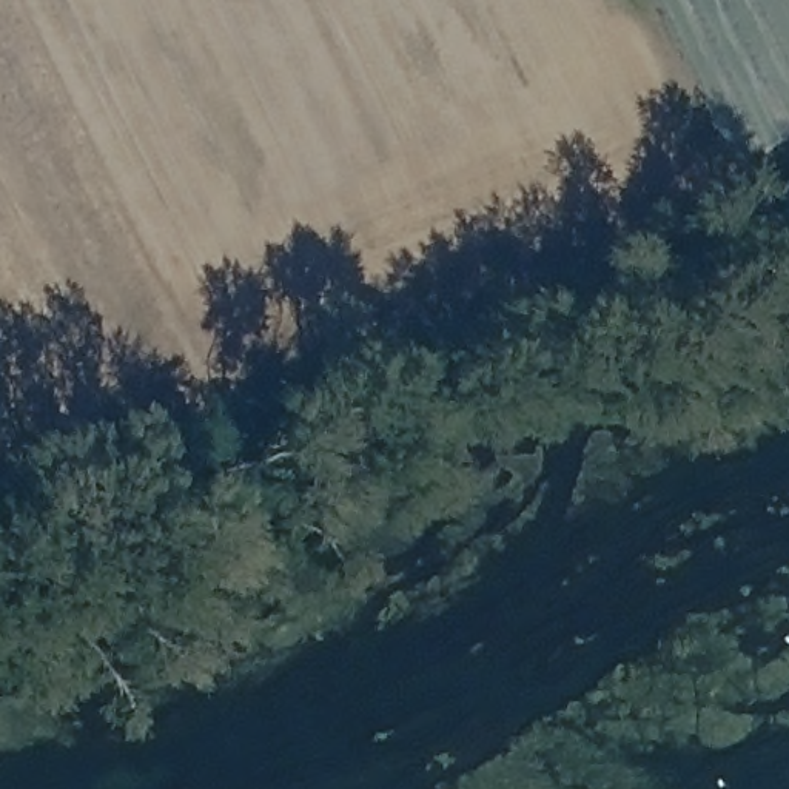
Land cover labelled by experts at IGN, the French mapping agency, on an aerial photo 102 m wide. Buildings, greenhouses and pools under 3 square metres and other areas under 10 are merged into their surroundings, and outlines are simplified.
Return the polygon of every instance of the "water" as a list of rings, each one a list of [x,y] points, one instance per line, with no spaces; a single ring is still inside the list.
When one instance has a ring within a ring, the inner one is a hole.
[[[789,712],[789,690],[777,700],[737,703],[734,712]]]
[[[761,666],[789,653],[789,619],[783,619],[774,632],[755,629],[740,638],[740,650]]]
[[[703,752],[681,752],[656,743],[653,752],[641,755],[638,767],[644,767],[653,777],[675,777],[681,789],[789,789],[789,727],[752,730],[746,740],[734,746]]]
[[[487,533],[499,533],[509,521],[518,518],[509,499],[490,505],[487,509],[481,527]]]
[[[388,607],[391,595],[416,589],[431,576],[450,570],[441,558],[441,539],[428,539],[422,533],[413,546],[407,546],[401,555],[385,561],[385,570],[401,573],[401,579],[373,586],[351,629],[333,632],[321,641],[296,644],[293,656],[259,684],[243,681],[231,690],[210,690],[197,690],[188,684],[151,703],[154,715],[145,740],[126,740],[126,730],[117,734],[105,721],[105,706],[111,706],[117,693],[114,684],[77,703],[77,709],[83,730],[74,746],[37,743],[31,749],[0,752],[0,789],[438,789],[438,783],[456,783],[462,774],[478,771],[496,755],[505,755],[515,737],[524,737],[539,718],[561,712],[573,700],[589,697],[616,666],[638,666],[644,656],[653,656],[656,644],[669,641],[672,632],[690,613],[715,613],[740,604],[758,604],[761,598],[789,601],[789,428],[761,435],[758,444],[749,450],[703,453],[697,459],[684,459],[672,462],[660,475],[641,475],[623,502],[601,502],[592,512],[583,512],[579,518],[570,518],[567,505],[573,499],[573,487],[583,468],[586,444],[592,444],[598,435],[626,441],[632,435],[623,425],[579,425],[570,431],[567,441],[552,444],[542,462],[549,493],[536,521],[502,552],[487,555],[487,561],[481,561],[475,586],[468,586],[453,607],[431,619],[404,616],[385,629],[379,626],[379,610]],[[721,509],[734,509],[734,521],[712,524],[700,533],[681,533],[681,524],[690,515]]]

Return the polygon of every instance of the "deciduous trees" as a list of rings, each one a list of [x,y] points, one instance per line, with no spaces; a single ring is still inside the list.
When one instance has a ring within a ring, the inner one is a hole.
[[[0,475],[0,700],[18,706],[34,706],[46,700],[52,706],[52,715],[77,709],[77,703],[114,684],[117,693],[111,706],[105,706],[105,721],[117,734],[126,730],[126,740],[145,740],[154,715],[151,703],[188,684],[197,690],[210,690],[216,672],[228,672],[231,644],[253,644],[259,619],[284,610],[277,595],[287,586],[314,589],[342,583],[370,549],[376,549],[385,524],[398,530],[398,536],[407,546],[413,546],[422,533],[438,518],[462,515],[472,505],[487,509],[490,505],[484,502],[484,490],[493,487],[487,468],[496,459],[493,450],[515,447],[524,438],[552,444],[567,441],[570,431],[579,425],[623,425],[632,435],[653,431],[660,444],[675,447],[684,459],[697,459],[703,453],[749,450],[758,444],[761,435],[789,428],[789,182],[771,170],[758,170],[755,182],[749,182],[746,176],[737,176],[734,185],[712,182],[709,191],[700,197],[700,210],[690,216],[684,210],[675,210],[669,200],[656,200],[656,210],[650,213],[647,225],[638,234],[619,240],[610,256],[601,256],[592,265],[592,271],[576,277],[567,290],[542,287],[536,296],[505,302],[472,324],[450,327],[431,351],[422,345],[407,348],[398,339],[398,333],[385,324],[385,317],[364,317],[330,342],[336,367],[324,379],[317,379],[314,388],[293,388],[290,395],[268,398],[253,398],[243,388],[234,398],[234,404],[222,398],[197,401],[200,422],[182,425],[170,410],[157,404],[148,410],[129,410],[114,425],[92,422],[80,425],[71,435],[52,431],[40,444],[34,444],[31,453],[22,453],[12,472]]]

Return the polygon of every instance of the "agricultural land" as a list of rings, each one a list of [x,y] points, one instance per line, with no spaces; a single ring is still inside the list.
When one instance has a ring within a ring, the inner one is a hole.
[[[592,265],[601,256],[610,256],[619,240],[638,234],[647,225],[650,213],[656,210],[656,200],[669,200],[675,210],[684,210],[690,216],[700,210],[700,197],[709,191],[712,182],[734,185],[737,176],[746,176],[749,182],[755,182],[758,170],[771,170],[789,182],[789,0],[0,0],[0,475],[12,472],[22,453],[31,453],[34,444],[40,444],[52,431],[71,435],[80,425],[92,422],[114,425],[129,410],[148,410],[157,404],[170,410],[182,425],[200,422],[197,401],[222,398],[234,404],[234,398],[243,388],[253,398],[268,398],[290,395],[293,388],[314,388],[317,379],[324,379],[336,367],[330,342],[364,317],[385,317],[385,324],[398,333],[398,339],[407,348],[422,345],[431,351],[450,327],[472,324],[505,302],[536,296],[542,287],[567,290],[576,277],[592,271]]]

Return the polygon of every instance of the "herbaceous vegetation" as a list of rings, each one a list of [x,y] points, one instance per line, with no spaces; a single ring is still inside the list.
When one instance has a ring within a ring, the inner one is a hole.
[[[734,509],[721,509],[690,515],[681,524],[681,533],[700,533],[712,524],[734,521]]]
[[[407,546],[398,536],[398,530],[385,524],[376,549],[370,549],[342,583],[314,589],[287,586],[277,595],[284,610],[259,619],[253,644],[231,644],[228,672],[216,672],[210,690],[231,690],[243,681],[259,684],[293,656],[296,644],[321,641],[333,632],[351,629],[373,586],[401,579],[401,573],[385,570],[385,561],[401,555]]]
[[[524,438],[515,447],[493,450],[496,459],[487,468],[493,487],[484,490],[484,502],[490,505],[509,499],[518,518],[509,521],[499,533],[487,533],[481,527],[487,509],[472,505],[462,515],[438,518],[422,533],[428,539],[441,539],[441,558],[450,570],[431,576],[416,589],[391,595],[388,607],[379,610],[379,626],[385,629],[404,616],[431,619],[453,607],[468,586],[475,586],[481,561],[487,561],[487,555],[502,552],[536,521],[549,493],[542,462],[552,444]]]
[[[52,706],[46,700],[34,706],[18,706],[0,700],[0,752],[31,749],[37,743],[74,746],[83,730],[77,709],[52,715]]]
[[[592,512],[601,502],[623,502],[641,475],[660,475],[672,462],[684,459],[675,447],[660,444],[653,431],[632,435],[626,441],[598,435],[592,444],[586,444],[583,468],[573,487],[573,499],[567,505],[570,518],[579,518],[583,512]]]
[[[438,783],[438,789],[681,789],[675,777],[653,777],[644,767],[638,767],[641,755],[653,752],[656,743],[681,752],[703,752],[734,746],[746,740],[752,730],[789,727],[789,712],[734,712],[737,703],[777,700],[789,690],[789,653],[761,666],[740,650],[740,638],[755,629],[774,632],[783,619],[789,619],[789,601],[761,598],[758,604],[740,604],[715,613],[690,613],[672,632],[669,641],[656,644],[653,656],[644,656],[638,666],[616,666],[589,697],[573,700],[561,712],[539,718],[524,737],[515,737],[505,755],[496,755],[478,771],[462,774],[456,783]]]

